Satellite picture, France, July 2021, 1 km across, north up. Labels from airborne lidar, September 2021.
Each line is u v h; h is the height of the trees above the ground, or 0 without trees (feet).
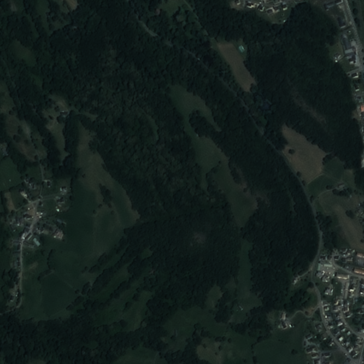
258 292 52
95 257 0
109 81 60
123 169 47
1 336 86
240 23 47
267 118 73
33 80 35
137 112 66
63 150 0
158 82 72
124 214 0
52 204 0
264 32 74
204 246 21
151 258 62
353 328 0
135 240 66
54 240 0
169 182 74
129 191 47
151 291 86
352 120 46
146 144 45
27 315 0
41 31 82
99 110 70
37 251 19
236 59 0
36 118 78
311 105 18
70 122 56
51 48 31
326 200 0
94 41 84
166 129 73
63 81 27
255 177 47
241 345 0
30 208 0
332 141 23
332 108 40
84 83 47
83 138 0
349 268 0
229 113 53
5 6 66
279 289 71
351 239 0
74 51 85
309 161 0
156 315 101
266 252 97
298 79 28
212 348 0
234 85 61
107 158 50
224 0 52
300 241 50
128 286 62
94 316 61
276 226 55
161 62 59
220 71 22
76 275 0
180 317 0
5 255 0
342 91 42
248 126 62
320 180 0
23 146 0
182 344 0
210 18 97
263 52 45
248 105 65
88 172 0
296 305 70
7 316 53
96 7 77
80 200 0
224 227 55
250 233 49
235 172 25
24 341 104
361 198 0
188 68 55
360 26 27
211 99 82
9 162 0
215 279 41
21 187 22
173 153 87
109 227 0
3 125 63
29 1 75
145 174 34
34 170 0
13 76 79
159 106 71
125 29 67
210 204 28
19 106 30
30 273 0
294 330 0
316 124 27
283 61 41
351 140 52
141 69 99
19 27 87
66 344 78
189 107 0
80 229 0
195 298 52
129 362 0
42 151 0
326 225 63
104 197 24
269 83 78
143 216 47
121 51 71
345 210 0
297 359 0
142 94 46
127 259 64
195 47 74
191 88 57
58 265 0
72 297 0
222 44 0
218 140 54
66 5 39
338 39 0
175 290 73
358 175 25
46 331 21
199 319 0
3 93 0
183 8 25
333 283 33
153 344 80
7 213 49
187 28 73
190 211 21
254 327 67
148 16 73
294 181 46
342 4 0
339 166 0
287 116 71
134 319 0
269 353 0
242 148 45
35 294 0
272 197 31
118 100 74
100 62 87
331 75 28
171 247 66
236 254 68
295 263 53
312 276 0
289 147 0
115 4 59
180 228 49
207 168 0
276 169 54
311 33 66
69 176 31
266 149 46
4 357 61
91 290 39
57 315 0
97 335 31
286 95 54
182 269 44
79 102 51
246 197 0
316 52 64
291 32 50
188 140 78
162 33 77
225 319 65
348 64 0
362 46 0
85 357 60
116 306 0
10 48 36
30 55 0
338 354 0
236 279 31
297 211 48
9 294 42
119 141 66
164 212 59
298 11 69
